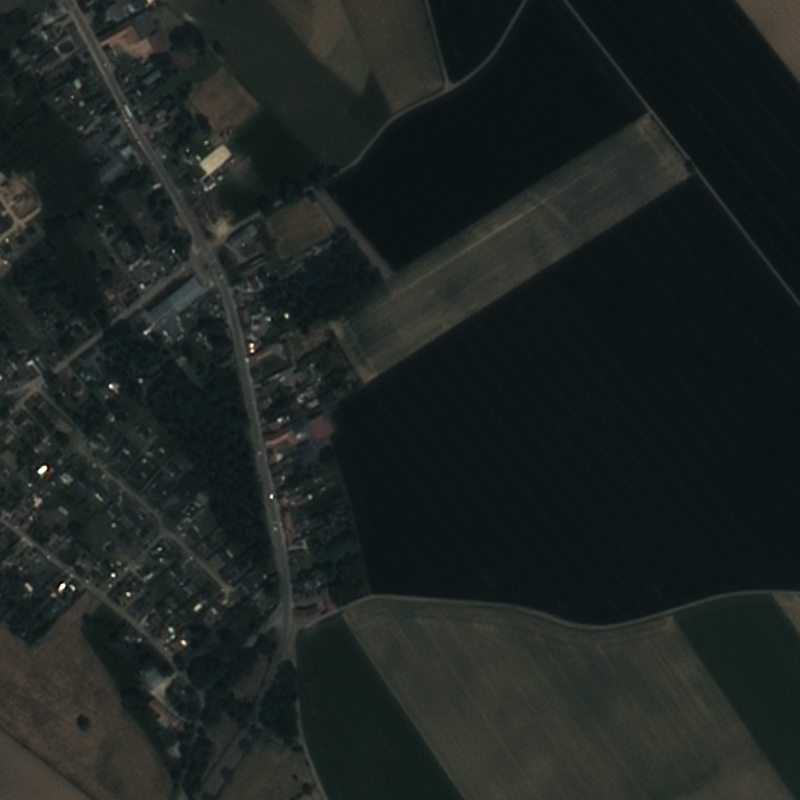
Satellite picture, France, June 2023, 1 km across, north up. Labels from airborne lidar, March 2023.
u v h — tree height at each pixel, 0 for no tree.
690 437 0
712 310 0
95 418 10
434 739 0
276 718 26
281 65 0
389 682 0
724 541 0
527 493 0
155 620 0
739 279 0
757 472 0
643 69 0
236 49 0
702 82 0
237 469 17
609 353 0
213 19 0
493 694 0
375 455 0
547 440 0
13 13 6
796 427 0
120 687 0
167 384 17
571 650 0
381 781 0
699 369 0
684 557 0
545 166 0
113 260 11
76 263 0
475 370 0
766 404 0
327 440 0
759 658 0
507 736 0
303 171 0
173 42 13
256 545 19
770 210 0
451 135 0
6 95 0
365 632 0
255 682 0
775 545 0
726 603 0
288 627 0
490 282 0
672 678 0
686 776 0
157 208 7
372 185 0
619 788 0
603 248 0
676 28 0
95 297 0
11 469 0
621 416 0
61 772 0
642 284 0
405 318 0
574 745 0
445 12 0
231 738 0
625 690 0
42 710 0
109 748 0
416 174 0
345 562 22
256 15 0
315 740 0
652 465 0
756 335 0
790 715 0
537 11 0
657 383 0
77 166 0
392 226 0
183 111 9
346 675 0
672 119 0
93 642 0
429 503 0
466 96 0
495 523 0
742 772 0
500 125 0
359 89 0
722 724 0
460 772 0
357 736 0
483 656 0
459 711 0
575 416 0
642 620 0
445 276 0
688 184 0
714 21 0
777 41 0
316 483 0
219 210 0
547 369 0
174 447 0
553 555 0
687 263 0
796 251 0
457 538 0
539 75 0
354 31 0
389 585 0
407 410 0
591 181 0
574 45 0
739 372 0
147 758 0
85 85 8
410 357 0
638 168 0
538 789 0
